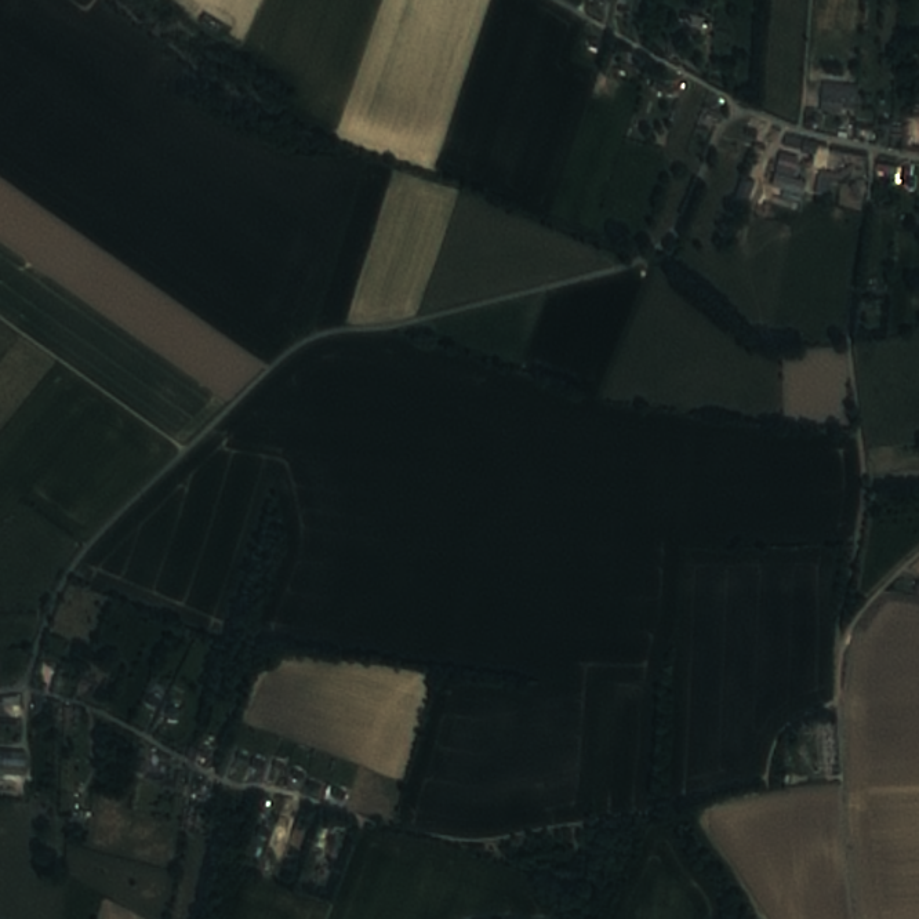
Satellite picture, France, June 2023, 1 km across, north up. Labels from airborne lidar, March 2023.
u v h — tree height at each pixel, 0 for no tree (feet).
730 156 0
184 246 0
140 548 0
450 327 0
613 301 0
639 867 0
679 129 0
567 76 0
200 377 0
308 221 0
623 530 0
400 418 0
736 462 0
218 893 69
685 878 0
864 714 0
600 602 0
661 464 0
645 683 0
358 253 0
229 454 0
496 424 0
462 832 0
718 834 0
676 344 0
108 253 0
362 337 0
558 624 0
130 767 51
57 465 0
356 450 0
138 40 0
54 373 0
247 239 0
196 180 0
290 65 0
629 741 0
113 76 0
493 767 0
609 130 0
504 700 0
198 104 66
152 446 0
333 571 0
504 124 0
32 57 0
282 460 0
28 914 0
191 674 0
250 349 0
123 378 0
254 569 71
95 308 0
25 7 0
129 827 0
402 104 0
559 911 87
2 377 0
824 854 0
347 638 0
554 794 0
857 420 52
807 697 0
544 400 0
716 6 19
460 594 0
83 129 0
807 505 0
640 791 0
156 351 0
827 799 0
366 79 0
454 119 0
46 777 18
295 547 0
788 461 0
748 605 0
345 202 0
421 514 0
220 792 33
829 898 0
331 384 0
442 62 0
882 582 0
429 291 0
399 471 0
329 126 0
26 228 0
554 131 0
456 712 0
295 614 0
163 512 0
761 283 0
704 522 0
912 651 0
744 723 0
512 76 0
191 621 0
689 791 0
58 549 0
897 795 0
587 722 0
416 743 20
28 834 0
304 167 0
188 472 0
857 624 0
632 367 0
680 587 0
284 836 0
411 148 0
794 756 0
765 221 0
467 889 0
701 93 0
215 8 0
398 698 0
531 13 0
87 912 0
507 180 0
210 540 0
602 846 74
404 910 0
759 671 0
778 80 0
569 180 0
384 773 0
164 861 0
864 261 46
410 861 0
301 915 0
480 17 0
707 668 0
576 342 0
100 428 0
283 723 0
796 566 0
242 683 72
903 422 0
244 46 0
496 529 0
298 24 0
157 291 0
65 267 0
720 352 0
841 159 0
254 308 0
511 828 0
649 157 0
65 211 0
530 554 0
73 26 0
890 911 0
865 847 0
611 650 0
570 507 0
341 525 0
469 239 0
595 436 0
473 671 31
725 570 0
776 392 0
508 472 0
